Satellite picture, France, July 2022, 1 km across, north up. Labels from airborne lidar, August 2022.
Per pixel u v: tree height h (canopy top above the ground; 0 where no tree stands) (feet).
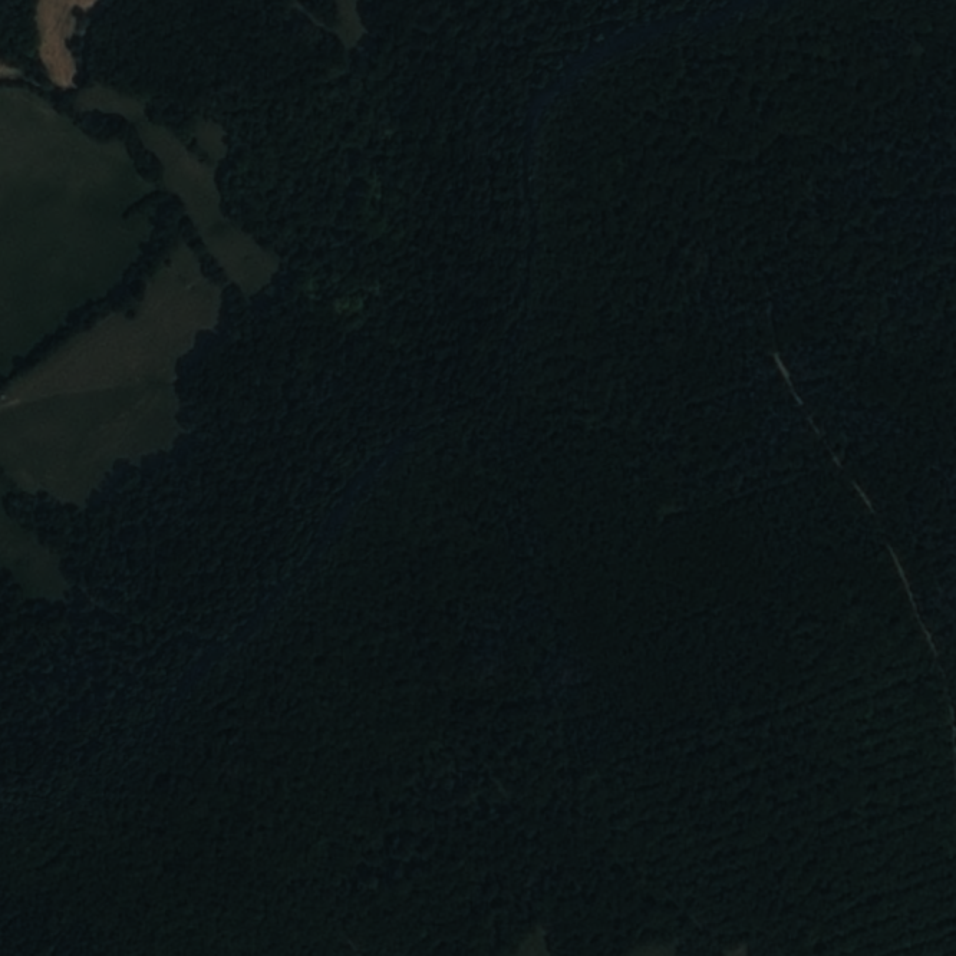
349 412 92
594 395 82
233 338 67
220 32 85
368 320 72
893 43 71
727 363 53
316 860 51
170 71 73
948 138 57
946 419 52
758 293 61
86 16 59
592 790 74
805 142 39
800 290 55
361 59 72
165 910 33
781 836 67
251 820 72
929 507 61
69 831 50
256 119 40
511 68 94
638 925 56
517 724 74
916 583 39
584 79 44
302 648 72
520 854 81
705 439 43
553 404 29
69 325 30
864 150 88
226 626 80
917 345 75
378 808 79
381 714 54
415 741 68
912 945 19
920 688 59
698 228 81
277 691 67
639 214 76
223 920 47
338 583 62
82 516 40
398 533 59
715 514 34
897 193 52
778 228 64
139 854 66
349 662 60
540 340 62
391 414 108
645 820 61
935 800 34
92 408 0
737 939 53
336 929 52
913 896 37
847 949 46
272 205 58
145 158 72
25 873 37
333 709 47
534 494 62
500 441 68
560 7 107
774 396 60
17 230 0
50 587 0
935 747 52
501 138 90
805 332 48
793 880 66
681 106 77
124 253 0
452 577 81
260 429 80
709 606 45
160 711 55
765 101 20
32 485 0
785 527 43
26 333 0
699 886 59
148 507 34
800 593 39
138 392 0
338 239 84
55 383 0
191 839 73
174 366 0
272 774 54
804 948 50
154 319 0
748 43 69
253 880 58
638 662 57
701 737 67
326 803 56
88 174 0
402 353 90
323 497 93
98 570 98
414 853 25
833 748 62
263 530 96
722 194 71
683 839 58
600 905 73
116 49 74
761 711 54
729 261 74
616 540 35
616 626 56
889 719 48
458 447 79
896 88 70
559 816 74
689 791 74
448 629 100
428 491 68
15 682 108
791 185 84
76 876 42
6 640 77
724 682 52
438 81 68
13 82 26
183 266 0
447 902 67
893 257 74
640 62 68
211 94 58
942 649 48
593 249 52
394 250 79
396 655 80
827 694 44
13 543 0
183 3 87
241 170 31
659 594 47
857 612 54
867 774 55
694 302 92
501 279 84
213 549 100
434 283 89
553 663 98
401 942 59
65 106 58
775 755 64
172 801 71
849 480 41
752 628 54
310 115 46
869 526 55
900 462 52
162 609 96
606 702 50
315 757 59
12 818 36
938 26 72
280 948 61
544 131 38
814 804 50
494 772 93
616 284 74
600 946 64
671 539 40
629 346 55
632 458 55
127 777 70
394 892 70
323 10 75
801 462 70
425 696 64
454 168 67
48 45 0
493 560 79
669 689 41
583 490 55
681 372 53
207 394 85
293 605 54
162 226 70
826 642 63
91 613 115
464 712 75
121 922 39
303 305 81
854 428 84
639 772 59
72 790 33
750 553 43
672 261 75
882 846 38
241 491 106
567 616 62
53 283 0
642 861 62
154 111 62
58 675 42
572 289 69
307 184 61
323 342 70
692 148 77
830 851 59
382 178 58
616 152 68
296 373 84
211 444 83
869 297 78
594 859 63
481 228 72
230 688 73
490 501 52
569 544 59
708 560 34
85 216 0
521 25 82
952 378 75
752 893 52
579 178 64
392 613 64
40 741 111
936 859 46
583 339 83
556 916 69
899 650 51
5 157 0
